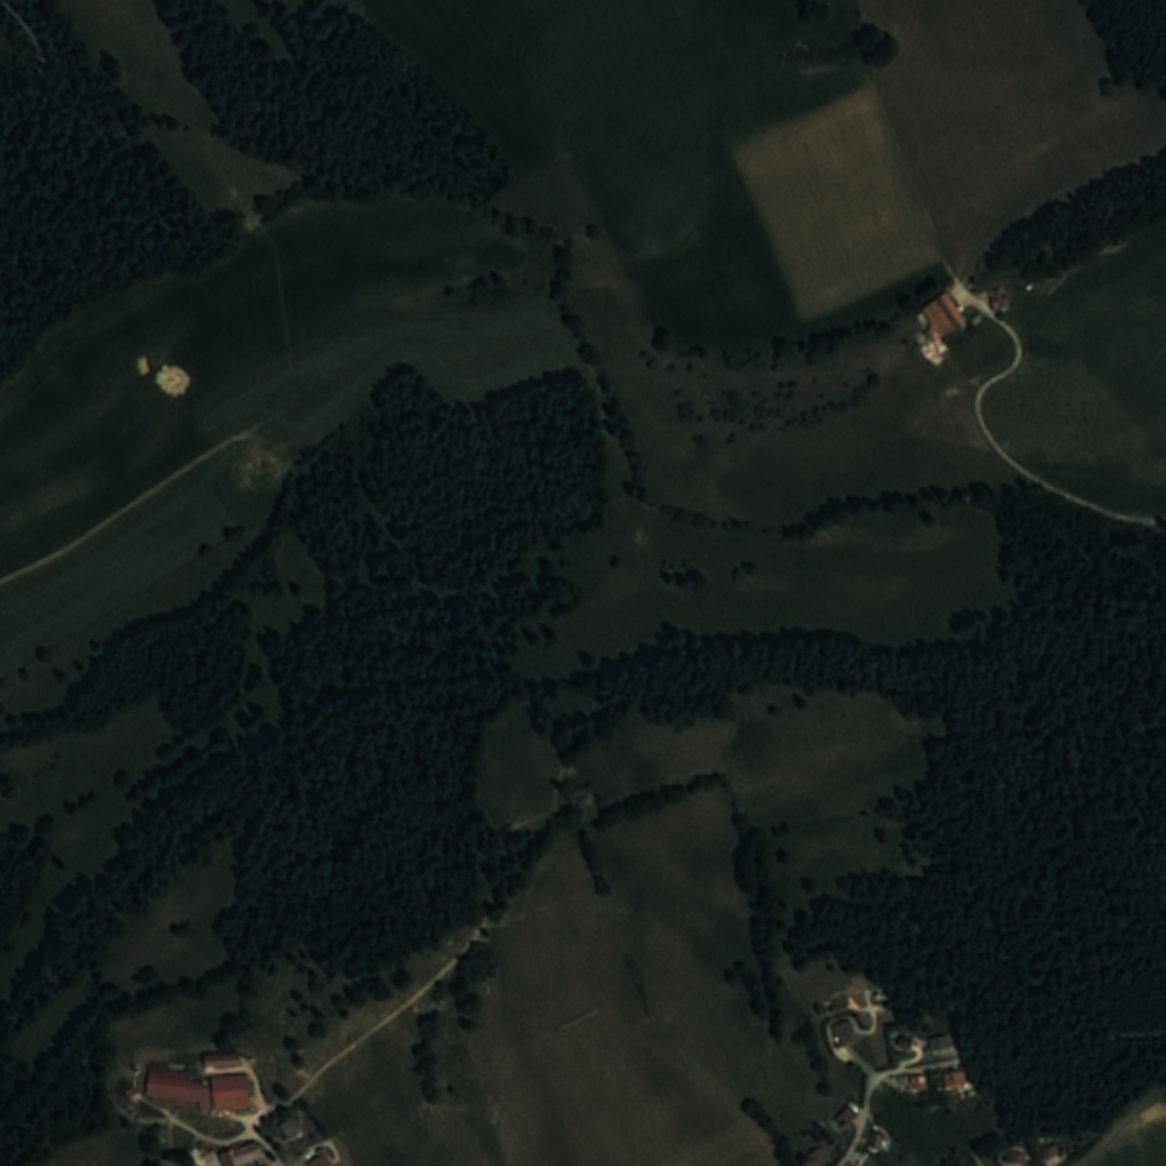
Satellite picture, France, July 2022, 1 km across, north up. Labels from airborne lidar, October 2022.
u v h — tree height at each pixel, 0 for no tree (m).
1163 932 21
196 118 0
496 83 0
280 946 23
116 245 20
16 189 36
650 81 0
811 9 11
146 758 0
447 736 31
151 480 0
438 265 0
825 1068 13
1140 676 20
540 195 0
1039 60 0
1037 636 30
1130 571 15
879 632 0
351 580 13
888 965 24
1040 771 10
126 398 0
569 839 0
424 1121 0
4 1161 10
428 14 0
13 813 0
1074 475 0
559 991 0
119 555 0
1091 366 0
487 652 21
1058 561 19
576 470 31
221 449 0
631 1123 0
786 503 0
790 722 0
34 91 29
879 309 0
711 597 0
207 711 16
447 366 0
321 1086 0
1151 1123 0
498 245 0
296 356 0
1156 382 0
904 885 25
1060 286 0
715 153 0
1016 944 28
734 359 7
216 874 0
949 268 0
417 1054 12
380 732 30
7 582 0
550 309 0
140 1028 0
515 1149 0
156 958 0
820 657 20
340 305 0
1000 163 0
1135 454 0
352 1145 0
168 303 0
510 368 0
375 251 0
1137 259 0
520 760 0
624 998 0
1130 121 0
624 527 0
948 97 0
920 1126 0
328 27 23
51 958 24
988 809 30
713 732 0
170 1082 0
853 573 0
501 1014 0
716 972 0
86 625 0
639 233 0
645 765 0
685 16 0
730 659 25
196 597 0
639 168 0
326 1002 0
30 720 16
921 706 26
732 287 0
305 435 0
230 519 0
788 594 0
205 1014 0
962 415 0
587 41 0
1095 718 14
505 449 29
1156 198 21
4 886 25
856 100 0
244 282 0
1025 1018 30
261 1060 0
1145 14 18
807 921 21
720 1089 0
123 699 23
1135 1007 13
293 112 25
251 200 0
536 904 0
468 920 10
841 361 0
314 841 36
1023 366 0
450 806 29
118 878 22
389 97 16
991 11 0
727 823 0
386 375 0
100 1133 14
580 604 7
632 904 0
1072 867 25
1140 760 34
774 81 0
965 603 0
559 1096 0
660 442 0
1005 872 25
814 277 0
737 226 0
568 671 0
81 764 0
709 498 0
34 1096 22
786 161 0
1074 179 0
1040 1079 32
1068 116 0
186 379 0
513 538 32
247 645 6
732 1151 0
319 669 29
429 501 27
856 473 0
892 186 0
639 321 0
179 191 28
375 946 17
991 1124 0
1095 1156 0
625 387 0
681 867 0
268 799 27
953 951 17
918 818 21
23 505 0
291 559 0
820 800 0
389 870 23
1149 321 0
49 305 21
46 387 0
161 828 29
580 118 0
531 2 0
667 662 31
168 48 0
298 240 0
